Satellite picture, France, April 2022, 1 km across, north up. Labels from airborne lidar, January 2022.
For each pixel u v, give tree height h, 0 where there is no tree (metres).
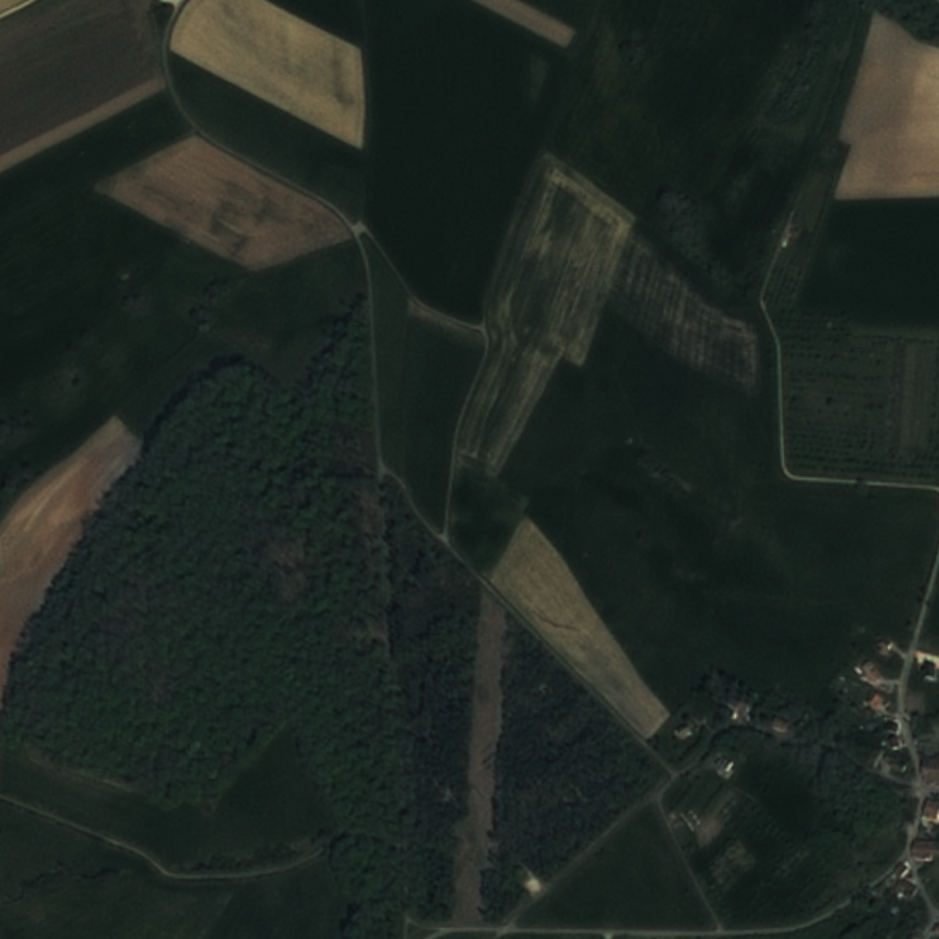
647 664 0
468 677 18
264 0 0
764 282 0
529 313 0
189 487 22
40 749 12
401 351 0
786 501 0
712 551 0
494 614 0
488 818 0
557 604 0
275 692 23
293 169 0
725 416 0
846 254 0
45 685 18
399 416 0
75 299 0
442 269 0
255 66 0
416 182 0
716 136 0
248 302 0
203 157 0
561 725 16
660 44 0
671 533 0
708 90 0
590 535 0
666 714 0
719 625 0
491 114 0
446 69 0
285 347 0
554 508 0
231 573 21
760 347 0
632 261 0
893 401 0
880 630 0
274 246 0
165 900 0
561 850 22
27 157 0
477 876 0
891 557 0
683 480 0
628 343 0
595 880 0
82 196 0
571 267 0
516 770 15
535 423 0
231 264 0
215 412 21
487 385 0
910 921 7
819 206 0
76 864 0
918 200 0
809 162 0
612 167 0
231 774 21
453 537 0
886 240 0
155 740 22
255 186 0
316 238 0
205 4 0
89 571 19
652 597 0
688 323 0
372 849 22
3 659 0
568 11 0
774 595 0
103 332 0
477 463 0
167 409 0
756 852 0
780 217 0
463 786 13
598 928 0
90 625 22
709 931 0
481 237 0
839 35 5
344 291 0
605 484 0
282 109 0
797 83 7
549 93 0
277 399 20
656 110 0
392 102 0
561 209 0
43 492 0
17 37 0
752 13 0
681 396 0
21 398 0
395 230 0
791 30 0
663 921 0
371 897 24
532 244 0
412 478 0
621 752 13
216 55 0
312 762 18
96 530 15
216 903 0
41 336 0
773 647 0
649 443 0
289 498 22
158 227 0
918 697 0
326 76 0
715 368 0
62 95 0
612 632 0
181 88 0
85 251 0
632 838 0
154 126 0
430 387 0
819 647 0
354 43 0
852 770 15
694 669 0
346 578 18
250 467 20
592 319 0
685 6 0
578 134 0
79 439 0
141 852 0
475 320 0
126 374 0
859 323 0
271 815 0
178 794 28
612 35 0
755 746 18
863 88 0
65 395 0
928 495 0
